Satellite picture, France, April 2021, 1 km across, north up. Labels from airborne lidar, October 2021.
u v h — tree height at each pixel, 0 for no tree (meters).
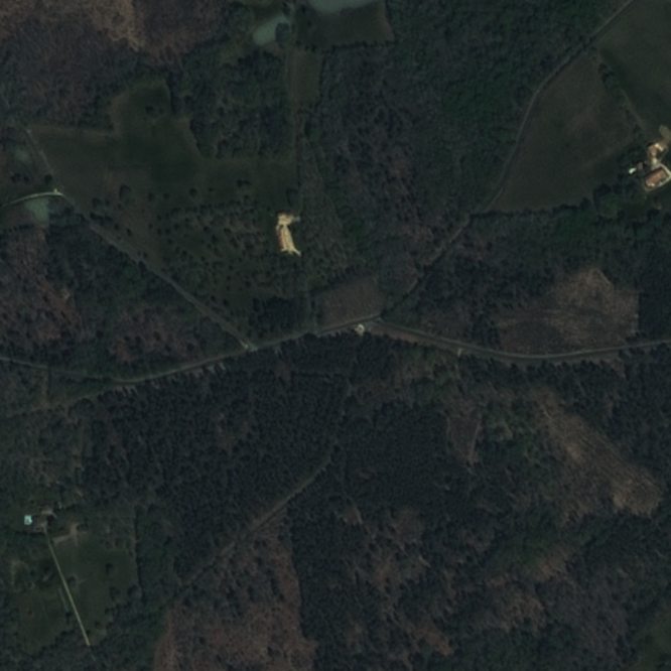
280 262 10
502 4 21
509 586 14
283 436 19
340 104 16
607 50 0
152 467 20
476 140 22
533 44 14
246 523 19
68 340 15
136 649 22
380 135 8
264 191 0
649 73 0
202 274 12
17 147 16
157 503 12
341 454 21
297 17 0
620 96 14
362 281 16
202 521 21
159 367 20
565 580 14
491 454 28
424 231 12
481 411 16
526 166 0
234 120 12
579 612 7
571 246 15
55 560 0
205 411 18
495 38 19
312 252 10
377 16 0
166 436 17
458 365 13
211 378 18
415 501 23
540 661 25
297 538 23
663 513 15
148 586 23
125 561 0
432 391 26
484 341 13
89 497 17
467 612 23
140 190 0
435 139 13
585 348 0
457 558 14
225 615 12
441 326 7
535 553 24
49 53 10
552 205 0
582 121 0
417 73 15
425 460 20
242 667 9
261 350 0
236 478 19
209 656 7
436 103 14
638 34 0
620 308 0
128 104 0
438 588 22
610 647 13
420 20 19
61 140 0
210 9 14
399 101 13
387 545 18
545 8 15
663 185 0
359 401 10
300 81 0
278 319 18
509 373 16
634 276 15
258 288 10
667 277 15
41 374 7
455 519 19
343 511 23
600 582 14
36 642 0
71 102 10
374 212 13
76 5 0
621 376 8
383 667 18
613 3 16
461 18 16
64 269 18
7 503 14
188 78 17
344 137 11
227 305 13
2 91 15
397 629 20
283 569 8
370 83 12
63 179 0
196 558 24
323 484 18
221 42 11
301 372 19
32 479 13
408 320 18
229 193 0
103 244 16
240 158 17
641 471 25
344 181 10
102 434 19
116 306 20
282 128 13
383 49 12
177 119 19
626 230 10
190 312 18
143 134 0
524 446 24
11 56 14
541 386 26
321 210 13
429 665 6
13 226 0
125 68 16
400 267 17
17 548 16
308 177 13
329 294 18
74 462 9
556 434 0
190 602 9
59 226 21
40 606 0
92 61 12
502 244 14
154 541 23
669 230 22
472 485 18
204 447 20
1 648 14
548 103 0
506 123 19
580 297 0
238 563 8
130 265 12
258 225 13
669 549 27
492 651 25
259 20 0
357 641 10
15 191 0
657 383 23
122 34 0
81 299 14
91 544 0
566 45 18
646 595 17
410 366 21
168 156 0
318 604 23
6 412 14
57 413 10
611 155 0
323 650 18
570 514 7
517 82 17
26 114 16
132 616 18
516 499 24
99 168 0
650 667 0
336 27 0
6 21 7
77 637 13
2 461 9
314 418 19
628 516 15
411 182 7
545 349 0
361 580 20
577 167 0
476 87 16
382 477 14
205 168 0
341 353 20
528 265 15
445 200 15
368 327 0
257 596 10
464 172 18
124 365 6
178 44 7
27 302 10
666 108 0
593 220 22
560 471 25
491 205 0
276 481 19
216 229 10
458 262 14
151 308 18
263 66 22
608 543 29
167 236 11
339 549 23
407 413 23
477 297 14
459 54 12
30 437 12
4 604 14
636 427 12
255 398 7
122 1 0
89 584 0
